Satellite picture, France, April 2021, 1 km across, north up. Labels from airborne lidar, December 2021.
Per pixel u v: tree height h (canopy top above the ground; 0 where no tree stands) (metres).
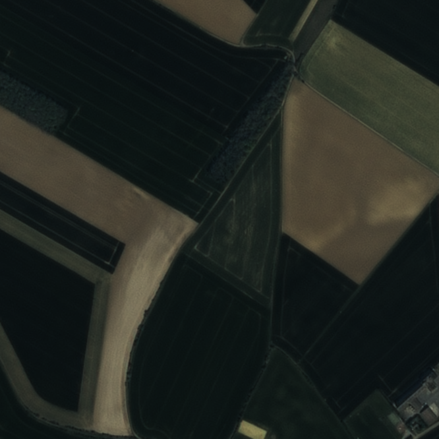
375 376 0
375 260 0
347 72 0
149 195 0
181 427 0
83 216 0
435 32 0
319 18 0
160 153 0
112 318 0
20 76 0
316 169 0
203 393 0
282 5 0
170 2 0
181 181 0
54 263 0
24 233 0
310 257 0
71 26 0
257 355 0
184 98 0
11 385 0
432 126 0
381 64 0
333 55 0
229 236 0
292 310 0
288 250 0
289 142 0
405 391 0
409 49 0
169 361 0
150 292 0
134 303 0
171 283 0
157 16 0
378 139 0
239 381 0
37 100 20
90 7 0
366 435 0
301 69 0
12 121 0
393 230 0
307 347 0
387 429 0
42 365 0
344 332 0
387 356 0
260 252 0
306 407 0
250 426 0
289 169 0
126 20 0
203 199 0
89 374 0
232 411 0
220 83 0
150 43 0
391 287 0
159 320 0
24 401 0
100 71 0
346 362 0
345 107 0
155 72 0
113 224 0
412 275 0
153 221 0
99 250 0
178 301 0
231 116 0
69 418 0
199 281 0
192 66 0
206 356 0
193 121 0
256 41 0
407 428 7
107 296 0
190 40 0
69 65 0
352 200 0
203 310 0
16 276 0
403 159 0
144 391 0
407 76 0
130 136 0
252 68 0
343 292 0
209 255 0
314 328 0
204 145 0
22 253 0
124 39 0
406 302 0
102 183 0
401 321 0
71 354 0
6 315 0
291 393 0
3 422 0
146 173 0
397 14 0
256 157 0
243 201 0
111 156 0
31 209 0
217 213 0
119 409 0
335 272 0
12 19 0
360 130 0
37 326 0
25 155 0
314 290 0
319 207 0
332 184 0
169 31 0
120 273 0
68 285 0
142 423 0
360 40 0
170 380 0
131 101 0
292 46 0
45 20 0
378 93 0
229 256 0
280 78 8
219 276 0
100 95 0
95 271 0
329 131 0
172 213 0
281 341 0
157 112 0
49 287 0
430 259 0
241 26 0
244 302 0
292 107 0
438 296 0
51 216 0
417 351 0
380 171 0
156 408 0
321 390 0
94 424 0
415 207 0
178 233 0
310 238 0
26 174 0
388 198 0
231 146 14
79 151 0
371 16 0
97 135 0
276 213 0
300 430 0
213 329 0
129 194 0
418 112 0
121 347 0
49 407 0
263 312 0
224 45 0
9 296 0
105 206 0
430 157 0
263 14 0
